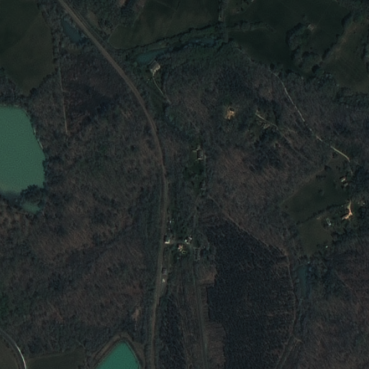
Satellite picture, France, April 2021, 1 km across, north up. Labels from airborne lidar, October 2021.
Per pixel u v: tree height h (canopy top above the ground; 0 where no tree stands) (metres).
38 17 0
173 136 17
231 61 16
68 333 18
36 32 0
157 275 15
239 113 21
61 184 28
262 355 14
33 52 0
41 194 18
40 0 10
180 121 26
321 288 15
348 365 14
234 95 16
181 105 18
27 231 21
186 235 9
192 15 0
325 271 12
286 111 17
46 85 19
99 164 26
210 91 16
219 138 23
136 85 20
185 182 19
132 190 10
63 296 10
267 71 22
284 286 9
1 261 15
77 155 14
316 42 0
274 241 14
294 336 13
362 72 0
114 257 16
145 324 17
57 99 22
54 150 13
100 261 16
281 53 0
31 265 8
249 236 16
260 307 12
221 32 22
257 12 0
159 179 22
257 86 14
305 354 18
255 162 16
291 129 19
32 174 0
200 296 0
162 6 0
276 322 11
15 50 0
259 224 13
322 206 0
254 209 16
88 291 20
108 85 12
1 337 8
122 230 6
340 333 12
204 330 0
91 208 21
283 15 0
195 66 15
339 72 0
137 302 13
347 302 15
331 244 0
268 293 13
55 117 18
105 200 24
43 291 22
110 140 21
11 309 26
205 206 8
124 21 18
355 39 0
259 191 20
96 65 10
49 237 22
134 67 10
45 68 0
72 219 21
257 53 0
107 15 19
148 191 12
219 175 15
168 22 0
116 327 13
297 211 0
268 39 0
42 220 17
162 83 7
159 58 14
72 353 0
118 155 18
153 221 21
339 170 10
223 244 13
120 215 19
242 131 26
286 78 10
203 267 19
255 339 14
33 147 0
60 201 26
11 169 0
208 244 14
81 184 18
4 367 0
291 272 11
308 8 0
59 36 19
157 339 13
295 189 21
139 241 18
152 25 0
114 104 7
